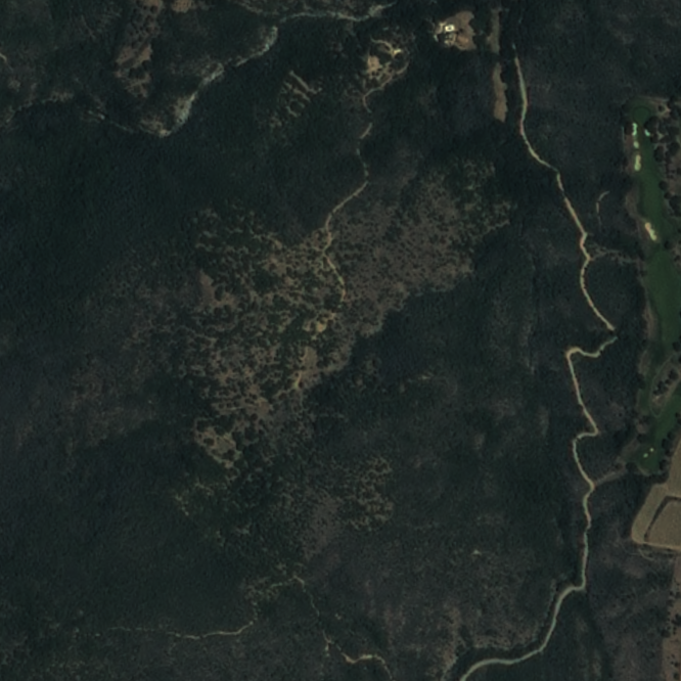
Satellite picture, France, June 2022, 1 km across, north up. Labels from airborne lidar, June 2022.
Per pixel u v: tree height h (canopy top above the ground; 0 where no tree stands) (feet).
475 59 23
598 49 21
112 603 20
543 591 29
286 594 19
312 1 24
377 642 18
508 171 52
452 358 19
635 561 0
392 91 32
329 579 21
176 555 25
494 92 32
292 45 28
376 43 20
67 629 28
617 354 27
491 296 26
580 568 35
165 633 19
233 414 20
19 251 28
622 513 26
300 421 26
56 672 28
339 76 31
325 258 20
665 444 30
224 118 30
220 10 18
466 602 22
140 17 38
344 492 19
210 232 30
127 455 30
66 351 19
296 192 23
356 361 39
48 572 25
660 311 0
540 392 23
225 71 24
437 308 20
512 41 38
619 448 25
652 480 32
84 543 31
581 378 20
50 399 19
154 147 22
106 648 19
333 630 18
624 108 36
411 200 22
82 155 26
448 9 41
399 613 0
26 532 37
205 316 20
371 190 25
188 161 24
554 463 18
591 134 19
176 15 25
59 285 39
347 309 18
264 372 17
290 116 21
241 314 25
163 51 20
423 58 29
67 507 29
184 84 18
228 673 20
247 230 29
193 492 19
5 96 18
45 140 36
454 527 20
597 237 27
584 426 21
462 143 52
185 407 17
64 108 23
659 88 18
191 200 21
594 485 0
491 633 31
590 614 18
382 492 28
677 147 32
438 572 23
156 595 28
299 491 21
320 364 24
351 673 18
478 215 18
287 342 23
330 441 22
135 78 33
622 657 0
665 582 19
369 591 0
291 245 20
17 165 18
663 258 0
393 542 21
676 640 0
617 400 27
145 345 22
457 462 20
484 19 47
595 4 19
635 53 20
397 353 25
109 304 20
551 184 28
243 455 20
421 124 24
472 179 20
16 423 19
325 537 0
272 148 21
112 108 32
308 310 25
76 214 39
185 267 24
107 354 29
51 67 28
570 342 24
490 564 19
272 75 30
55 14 30
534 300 25
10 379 18
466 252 20
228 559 28
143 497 26
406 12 34
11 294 41
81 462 26
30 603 21
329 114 21
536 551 20
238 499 26
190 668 18
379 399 27
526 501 31
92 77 27
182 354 23
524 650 24
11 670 20
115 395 18
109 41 23
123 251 23
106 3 32
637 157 0
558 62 24
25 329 24
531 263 27
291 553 17
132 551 26
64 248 32
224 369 19
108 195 32
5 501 22
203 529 30
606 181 30
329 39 22
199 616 20
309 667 19
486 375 21
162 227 17
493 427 26
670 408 0
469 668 24
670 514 0
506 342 20
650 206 0
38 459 22
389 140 25
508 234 34
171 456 22
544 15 23
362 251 21
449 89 48
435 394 17
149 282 21
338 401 21
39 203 25
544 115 31
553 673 0
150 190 26
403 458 25
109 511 19
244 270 25
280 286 27
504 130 24
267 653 22
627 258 25
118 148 46
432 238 21
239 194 23
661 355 0
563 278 17
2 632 19
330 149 22
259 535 23
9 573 25
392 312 20
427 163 21
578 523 21
